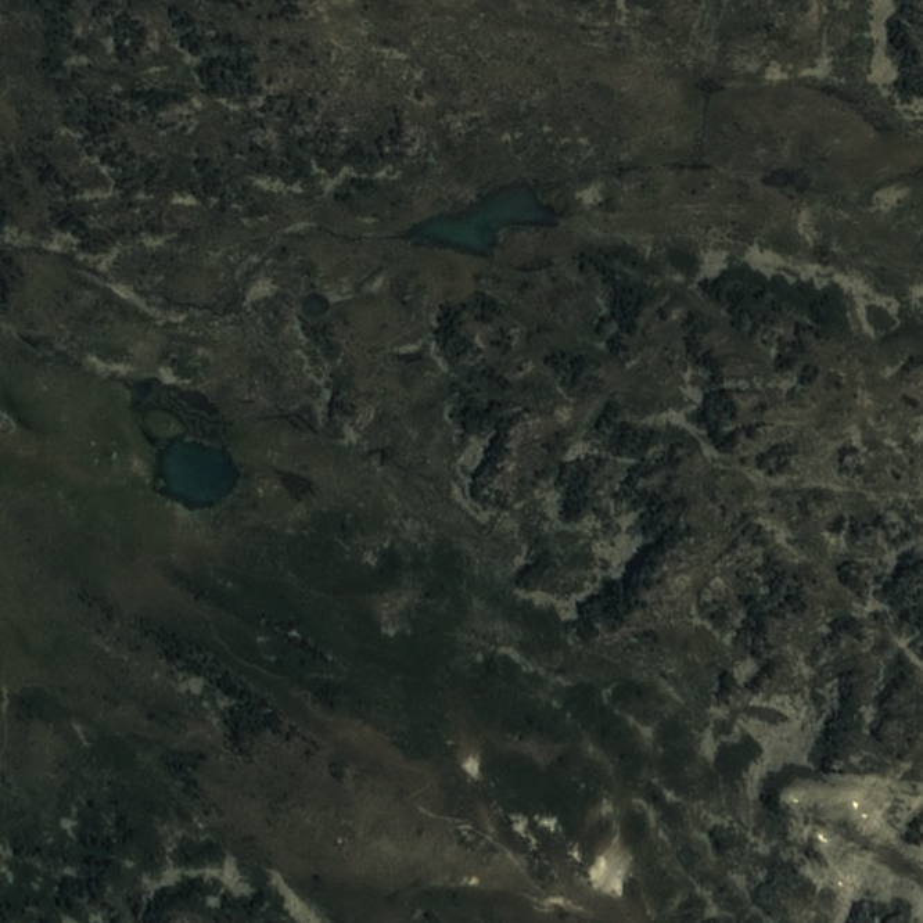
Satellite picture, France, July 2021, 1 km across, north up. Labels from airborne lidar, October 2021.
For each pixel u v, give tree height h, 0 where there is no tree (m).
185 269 0
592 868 0
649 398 0
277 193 0
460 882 0
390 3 0
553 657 0
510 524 0
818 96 0
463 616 0
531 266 0
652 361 0
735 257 0
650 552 13
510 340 7
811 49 0
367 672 0
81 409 0
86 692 0
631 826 0
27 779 0
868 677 0
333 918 0
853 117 0
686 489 0
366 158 7
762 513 0
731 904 0
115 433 0
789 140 0
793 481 0
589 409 0
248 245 0
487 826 0
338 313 0
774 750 0
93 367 0
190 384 0
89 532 0
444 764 0
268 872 0
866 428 0
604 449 0
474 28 0
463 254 0
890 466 0
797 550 0
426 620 0
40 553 0
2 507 0
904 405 0
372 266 0
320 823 0
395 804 0
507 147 0
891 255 0
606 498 0
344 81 0
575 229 0
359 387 0
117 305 0
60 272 0
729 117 0
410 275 0
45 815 0
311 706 0
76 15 0
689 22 0
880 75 0
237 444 0
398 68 0
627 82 0
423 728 0
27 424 0
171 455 0
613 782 0
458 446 0
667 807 0
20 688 0
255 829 0
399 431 0
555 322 0
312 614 0
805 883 0
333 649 0
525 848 0
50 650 0
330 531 0
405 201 0
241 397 0
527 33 0
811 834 0
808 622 0
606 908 0
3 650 0
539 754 0
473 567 0
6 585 0
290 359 0
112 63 0
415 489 0
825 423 0
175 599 0
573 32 0
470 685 0
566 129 0
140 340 0
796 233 0
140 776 0
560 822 0
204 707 0
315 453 0
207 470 0
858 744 0
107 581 0
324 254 0
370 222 0
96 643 0
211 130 0
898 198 0
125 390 0
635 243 0
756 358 0
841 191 0
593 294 0
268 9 0
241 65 7
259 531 0
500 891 0
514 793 0
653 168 0
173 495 0
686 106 0
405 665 0
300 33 0
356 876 0
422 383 0
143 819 0
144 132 0
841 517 0
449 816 0
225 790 0
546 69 0
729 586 0
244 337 0
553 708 0
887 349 0
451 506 0
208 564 0
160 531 0
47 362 0
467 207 0
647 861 0
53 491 0
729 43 0
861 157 0
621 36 0
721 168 0
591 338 0
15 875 0
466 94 0
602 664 0
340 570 0
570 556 0
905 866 0
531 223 0
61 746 0
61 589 0
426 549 0
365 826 0
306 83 0
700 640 0
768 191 0
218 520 0
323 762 0
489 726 0
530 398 0
